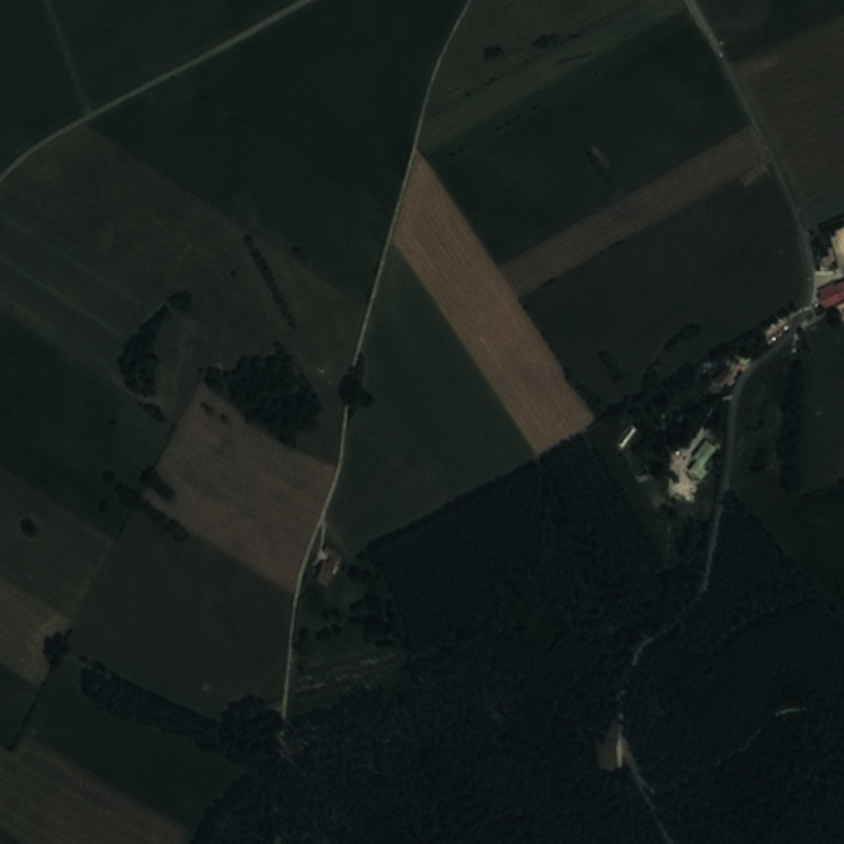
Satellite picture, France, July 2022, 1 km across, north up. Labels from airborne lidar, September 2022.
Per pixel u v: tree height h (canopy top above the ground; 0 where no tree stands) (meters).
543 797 30
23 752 0
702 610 22
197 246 0
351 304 0
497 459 0
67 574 0
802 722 8
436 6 0
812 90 0
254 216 0
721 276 0
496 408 0
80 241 0
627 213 0
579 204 0
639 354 0
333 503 0
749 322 0
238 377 7
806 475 0
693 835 18
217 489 0
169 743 0
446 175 0
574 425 0
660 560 14
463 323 0
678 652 14
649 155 0
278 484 0
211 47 0
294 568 0
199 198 0
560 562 26
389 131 0
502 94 0
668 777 29
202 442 0
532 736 13
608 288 0
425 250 0
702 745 21
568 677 14
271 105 0
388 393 0
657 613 27
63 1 0
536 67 0
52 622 0
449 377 0
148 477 14
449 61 0
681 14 0
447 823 33
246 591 0
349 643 0
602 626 22
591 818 26
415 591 17
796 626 12
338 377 0
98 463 0
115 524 0
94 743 0
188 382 0
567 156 0
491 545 17
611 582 17
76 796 0
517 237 0
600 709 24
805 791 23
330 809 0
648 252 0
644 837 28
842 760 18
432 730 31
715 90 0
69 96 0
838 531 0
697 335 6
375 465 0
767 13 0
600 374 0
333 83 0
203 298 0
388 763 29
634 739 24
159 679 0
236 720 20
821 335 0
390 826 15
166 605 0
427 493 0
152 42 0
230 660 0
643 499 0
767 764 10
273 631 0
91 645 0
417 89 0
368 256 0
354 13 0
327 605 0
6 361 0
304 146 0
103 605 0
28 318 0
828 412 0
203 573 0
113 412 0
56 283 0
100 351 0
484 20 0
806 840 21
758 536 17
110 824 0
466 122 0
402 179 0
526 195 0
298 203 0
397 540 15
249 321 0
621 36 0
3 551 0
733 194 0
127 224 0
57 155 0
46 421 0
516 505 17
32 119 0
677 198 0
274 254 0
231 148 0
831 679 14
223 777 0
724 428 9
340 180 0
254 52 0
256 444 0
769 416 0
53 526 0
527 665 13
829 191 0
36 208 0
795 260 0
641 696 29
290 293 0
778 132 0
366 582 9
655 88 0
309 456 0
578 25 0
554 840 33
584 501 15
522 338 0
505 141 0
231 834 28
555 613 30
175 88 0
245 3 0
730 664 11
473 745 20
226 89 0
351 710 34
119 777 0
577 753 18
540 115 0
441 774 29
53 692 0
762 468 11
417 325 0
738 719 14
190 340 0
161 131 0
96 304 0
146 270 0
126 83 0
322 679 0
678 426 15
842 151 0
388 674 0
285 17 0
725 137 0
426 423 0
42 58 0
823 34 0
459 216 0
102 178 0
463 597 15
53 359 0
